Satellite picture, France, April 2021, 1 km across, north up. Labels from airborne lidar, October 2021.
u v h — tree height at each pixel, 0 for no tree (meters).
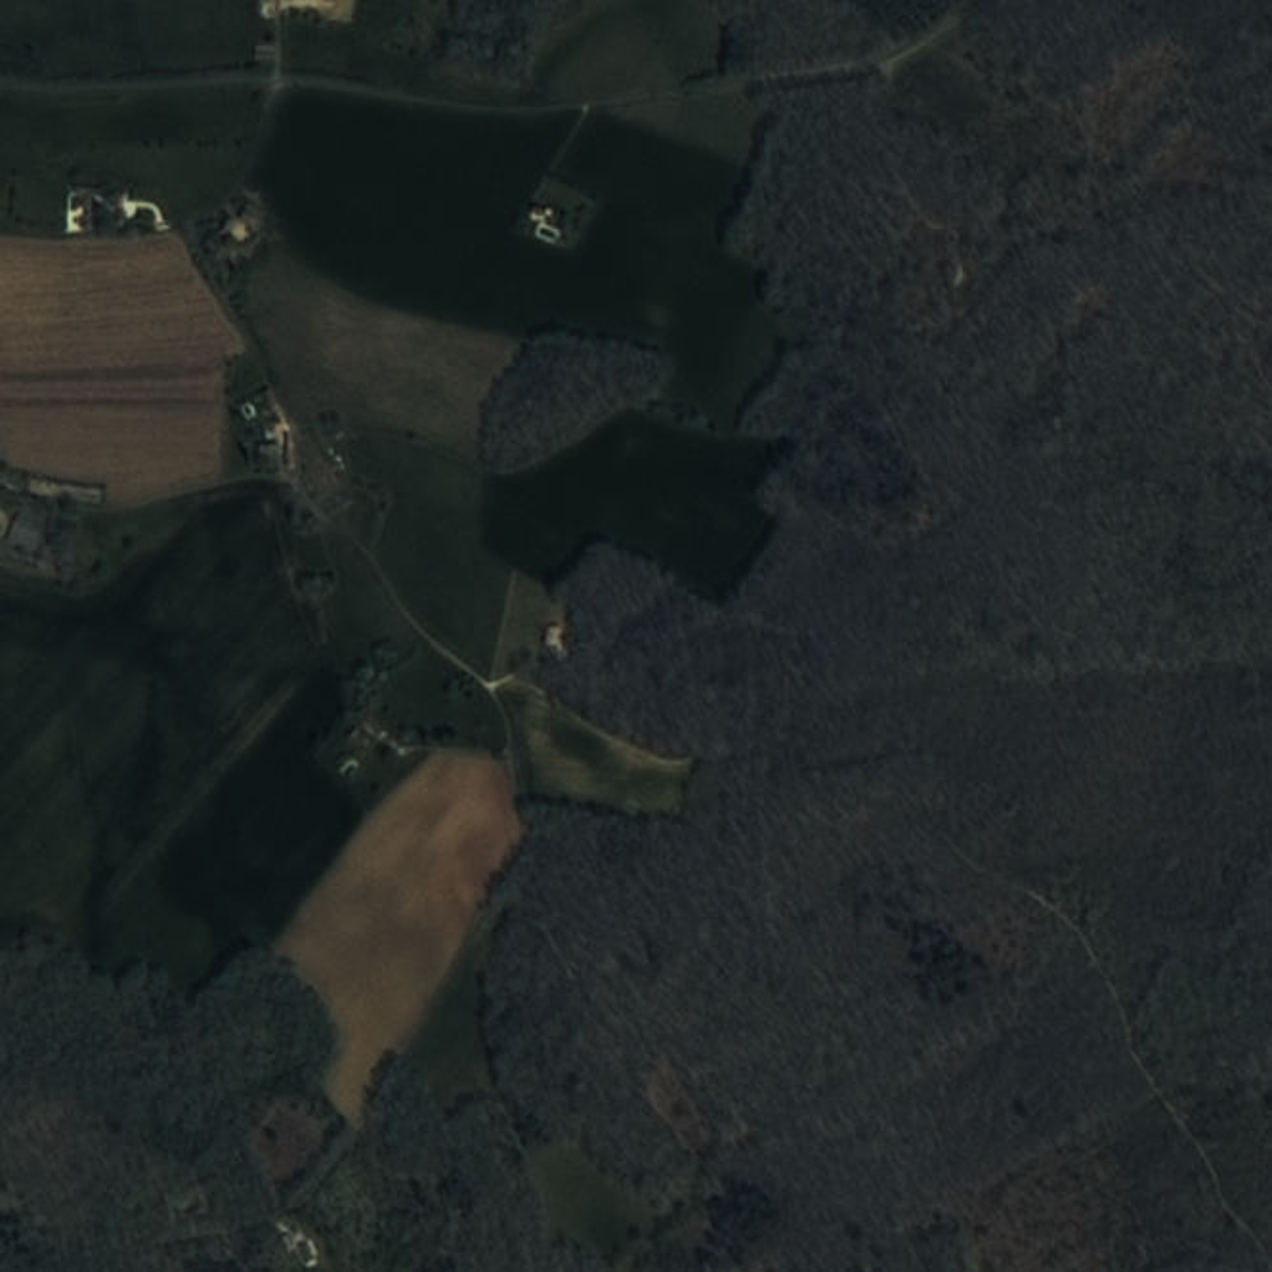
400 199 0
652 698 14
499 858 0
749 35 16
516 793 0
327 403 0
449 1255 16
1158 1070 16
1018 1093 12
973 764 9
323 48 0
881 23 23
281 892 0
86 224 6
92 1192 15
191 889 0
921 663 18
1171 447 18
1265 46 19
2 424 0
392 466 0
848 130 22
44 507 10
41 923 0
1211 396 20
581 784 0
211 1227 12
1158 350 18
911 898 17
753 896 22
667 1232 18
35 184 0
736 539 0
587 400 20
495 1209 14
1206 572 21
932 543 12
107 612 0
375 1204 9
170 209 0
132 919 0
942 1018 16
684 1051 18
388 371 0
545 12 24
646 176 0
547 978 22
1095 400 18
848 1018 20
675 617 14
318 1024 24
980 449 18
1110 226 18
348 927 0
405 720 0
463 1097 0
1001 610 21
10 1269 18
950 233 21
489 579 0
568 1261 19
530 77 14
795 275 17
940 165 19
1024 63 19
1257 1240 7
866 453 0
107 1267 18
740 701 22
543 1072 21
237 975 23
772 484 22
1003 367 18
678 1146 21
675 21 0
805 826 18
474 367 0
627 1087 16
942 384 13
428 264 0
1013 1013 14
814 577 23
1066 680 11
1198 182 0
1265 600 21
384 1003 0
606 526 0
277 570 0
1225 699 8
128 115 0
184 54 0
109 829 0
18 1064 19
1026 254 16
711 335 0
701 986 21
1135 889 10
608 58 0
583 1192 0
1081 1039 13
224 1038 20
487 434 16
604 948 19
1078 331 6
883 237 16
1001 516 19
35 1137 10
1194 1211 7
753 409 16
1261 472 16
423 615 0
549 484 0
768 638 10
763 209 19
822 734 12
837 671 18
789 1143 18
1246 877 11
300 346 0
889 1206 16
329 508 0
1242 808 6
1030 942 10
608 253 0
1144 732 10
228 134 0
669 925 22
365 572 0
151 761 0
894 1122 17
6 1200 19
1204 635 24
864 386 0
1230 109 16
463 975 0
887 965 9
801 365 19
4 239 0
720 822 12
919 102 18
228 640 0
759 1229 27
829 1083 12
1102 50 21
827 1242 17
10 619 0
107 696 0
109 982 14
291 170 0
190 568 0
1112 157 21
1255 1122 11
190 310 0
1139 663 19
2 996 18
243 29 0
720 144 0
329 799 0
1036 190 23
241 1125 14
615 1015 14
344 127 0
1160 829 10
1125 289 20
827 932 14
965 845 10
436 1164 19
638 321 0
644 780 0
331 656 0
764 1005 23
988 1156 11
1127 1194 7
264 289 0
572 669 19
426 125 0
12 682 0
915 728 8
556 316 0
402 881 0
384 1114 20
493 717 0
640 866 23
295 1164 0
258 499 0
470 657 0
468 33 14
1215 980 17
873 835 14
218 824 0
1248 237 19
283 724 0
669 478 0
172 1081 21
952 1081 10
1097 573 18
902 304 18
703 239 0
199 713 0
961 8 14
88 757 0
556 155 0
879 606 17
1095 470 21
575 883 23
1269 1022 20
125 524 0
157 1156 11
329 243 0
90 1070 19
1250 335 11
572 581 17
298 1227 8
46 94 0
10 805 0
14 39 0
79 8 0
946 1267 19
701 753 14
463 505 0
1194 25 14
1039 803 9
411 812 0
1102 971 11
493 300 0
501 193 0
